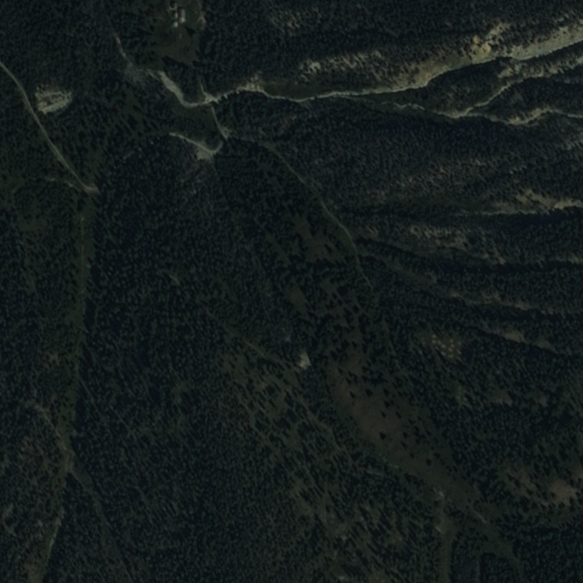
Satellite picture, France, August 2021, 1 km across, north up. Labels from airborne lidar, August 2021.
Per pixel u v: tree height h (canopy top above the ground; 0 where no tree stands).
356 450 20
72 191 12
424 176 8
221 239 12
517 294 19
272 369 30
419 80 0
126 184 8
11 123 10
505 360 17
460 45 9
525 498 0
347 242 0
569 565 20
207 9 10
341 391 0
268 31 13
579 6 12
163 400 20
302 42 12
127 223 10
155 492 18
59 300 8
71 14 12
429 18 15
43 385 10
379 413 0
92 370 21
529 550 5
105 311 7
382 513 0
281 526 10
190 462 20
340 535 0
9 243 7
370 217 15
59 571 15
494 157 9
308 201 12
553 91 14
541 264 0
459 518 12
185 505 0
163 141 7
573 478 15
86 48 15
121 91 10
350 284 14
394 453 0
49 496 19
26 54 12
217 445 10
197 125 9
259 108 10
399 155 11
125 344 22
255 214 18
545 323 21
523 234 7
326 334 18
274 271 21
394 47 7
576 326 18
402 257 16
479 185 6
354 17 9
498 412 17
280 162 14
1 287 0
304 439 0
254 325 7
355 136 12
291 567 13
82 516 19
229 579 15
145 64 8
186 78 14
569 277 15
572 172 16
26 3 17
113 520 18
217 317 11
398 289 14
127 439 17
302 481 27
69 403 22
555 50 0
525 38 12
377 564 0
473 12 13
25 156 10
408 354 9
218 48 21
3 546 7
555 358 13
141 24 7
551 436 25
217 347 21
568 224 23
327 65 6
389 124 6
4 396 13
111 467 18
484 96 6
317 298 26
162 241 8
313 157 7
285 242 26
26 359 7
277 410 26
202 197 9
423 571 22
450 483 0
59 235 12
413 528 0
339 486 24
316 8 9
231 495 16
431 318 9
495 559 12
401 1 12
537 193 12
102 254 14
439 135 12
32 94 9
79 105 10
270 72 8
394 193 16
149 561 17
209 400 13
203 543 13
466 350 0
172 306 11
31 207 7
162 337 8
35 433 15
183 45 0
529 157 6
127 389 21
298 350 9
